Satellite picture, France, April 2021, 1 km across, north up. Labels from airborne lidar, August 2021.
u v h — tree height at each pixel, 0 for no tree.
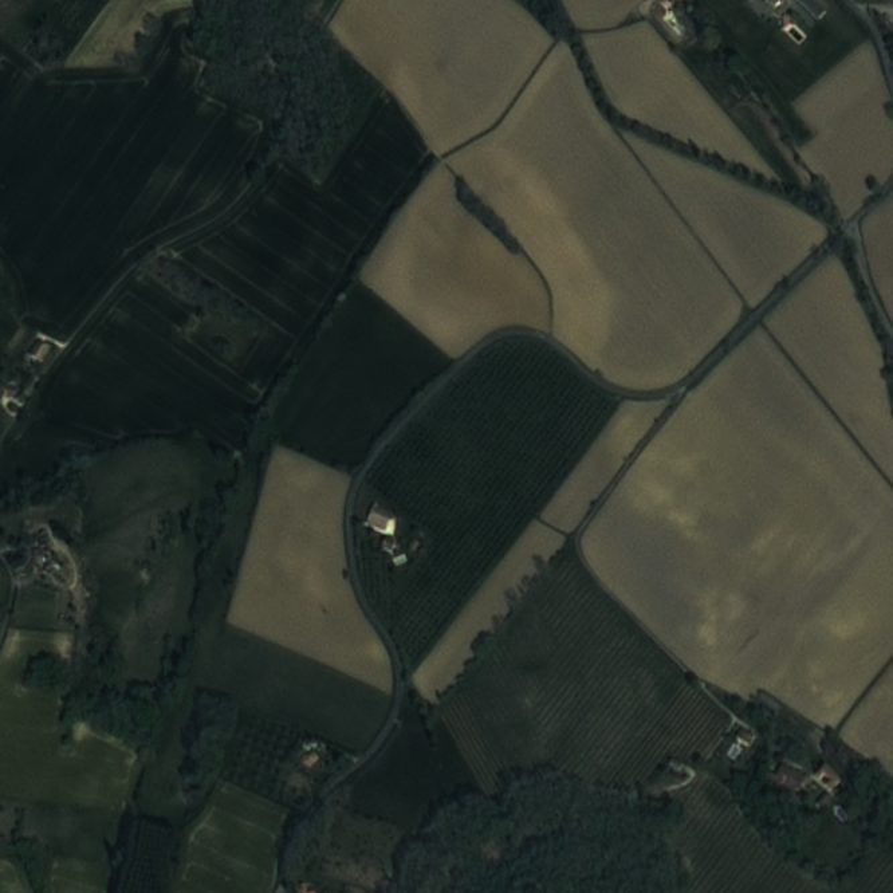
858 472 0
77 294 0
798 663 0
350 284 7
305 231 0
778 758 8
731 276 0
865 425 0
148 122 0
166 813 0
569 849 17
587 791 21
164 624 0
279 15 22
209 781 22
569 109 0
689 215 0
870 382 0
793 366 0
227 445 0
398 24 0
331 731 0
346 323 0
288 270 0
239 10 20
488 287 0
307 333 0
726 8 0
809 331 0
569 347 0
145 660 0
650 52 0
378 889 0
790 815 19
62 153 0
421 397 8
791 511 0
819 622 0
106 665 16
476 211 16
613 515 0
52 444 0
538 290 0
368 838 7
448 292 0
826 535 0
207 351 0
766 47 0
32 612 0
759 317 0
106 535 0
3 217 0
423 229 0
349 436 0
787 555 0
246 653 0
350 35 0
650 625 0
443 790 0
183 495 0
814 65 0
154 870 0
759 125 0
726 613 0
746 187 0
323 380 0
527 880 12
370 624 0
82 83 0
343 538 0
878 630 0
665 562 0
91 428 0
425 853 19
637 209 0
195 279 18
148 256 12
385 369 0
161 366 0
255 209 0
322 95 20
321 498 0
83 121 0
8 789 0
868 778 21
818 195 17
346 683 0
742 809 8
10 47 0
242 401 0
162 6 0
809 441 0
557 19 17
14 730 0
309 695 0
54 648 0
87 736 0
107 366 0
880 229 0
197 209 0
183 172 0
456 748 0
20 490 12
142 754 17
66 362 0
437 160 7
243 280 0
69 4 6
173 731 0
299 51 24
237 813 0
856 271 10
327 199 0
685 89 0
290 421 0
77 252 0
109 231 0
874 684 0
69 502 0
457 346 0
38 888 11
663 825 18
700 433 0
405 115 0
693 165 0
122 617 0
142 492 0
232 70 18
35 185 0
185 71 0
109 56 0
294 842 22
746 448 0
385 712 0
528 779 15
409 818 0
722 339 0
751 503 0
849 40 0
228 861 0
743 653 0
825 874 14
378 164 0
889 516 0
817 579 0
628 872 17
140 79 0
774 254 0
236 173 0
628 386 0
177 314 0
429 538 0
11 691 0
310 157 17
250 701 0
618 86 0
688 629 0
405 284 0
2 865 0
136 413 0
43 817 0
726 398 0
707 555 0
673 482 0
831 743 13
